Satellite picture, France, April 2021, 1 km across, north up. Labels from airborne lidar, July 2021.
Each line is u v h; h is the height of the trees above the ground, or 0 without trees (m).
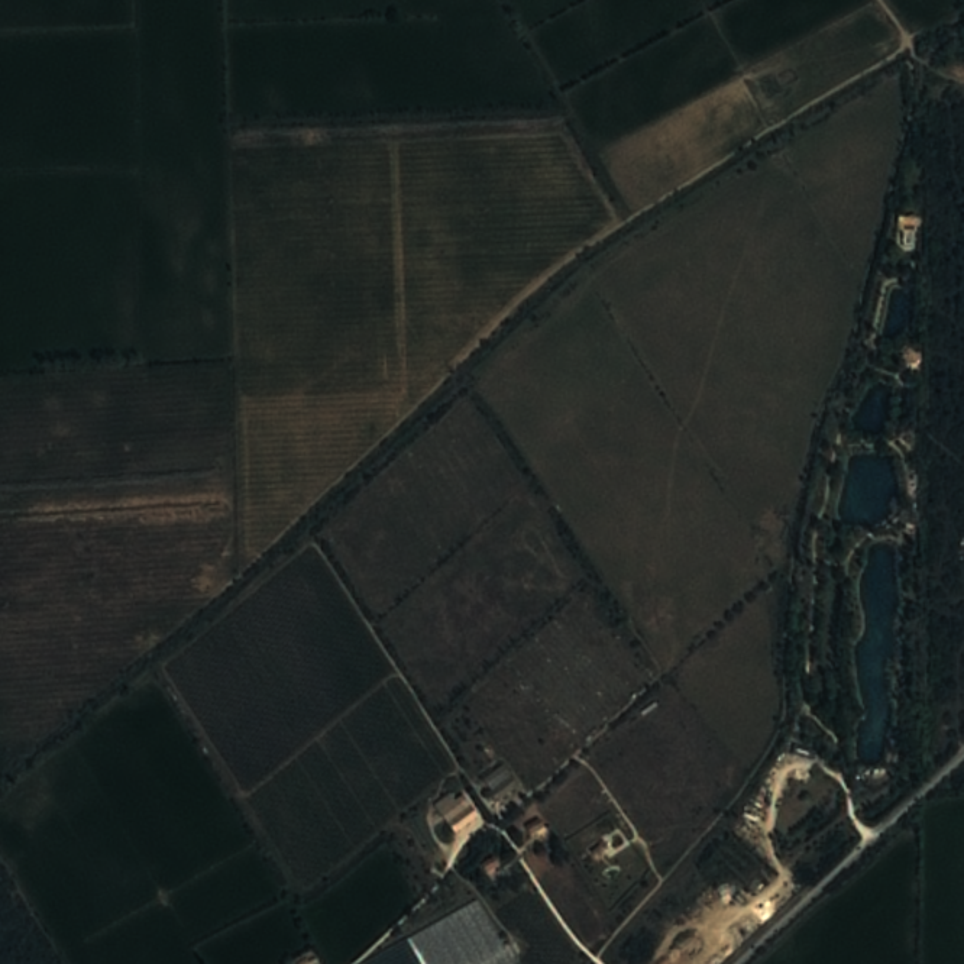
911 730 11
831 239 0
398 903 0
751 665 0
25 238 0
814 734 11
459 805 0
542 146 0
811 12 0
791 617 11
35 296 0
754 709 0
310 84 0
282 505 0
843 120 0
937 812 0
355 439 0
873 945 0
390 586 0
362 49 0
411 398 0
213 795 0
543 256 0
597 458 0
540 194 0
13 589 0
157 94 0
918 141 12
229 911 0
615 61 8
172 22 0
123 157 0
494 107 9
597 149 0
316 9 0
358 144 0
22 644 0
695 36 0
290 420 0
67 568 0
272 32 0
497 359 0
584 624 0
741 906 0
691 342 0
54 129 0
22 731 0
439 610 0
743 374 0
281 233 0
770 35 0
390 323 0
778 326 0
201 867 0
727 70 0
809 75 0
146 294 0
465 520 0
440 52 0
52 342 0
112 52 0
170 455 0
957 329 6
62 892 0
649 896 0
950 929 0
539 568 0
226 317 0
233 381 0
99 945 0
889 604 0
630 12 0
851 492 0
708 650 0
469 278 0
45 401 0
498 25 0
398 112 9
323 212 0
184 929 0
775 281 0
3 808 0
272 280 0
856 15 0
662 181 0
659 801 0
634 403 0
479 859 10
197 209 0
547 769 0
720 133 0
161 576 0
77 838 0
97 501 0
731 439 0
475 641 0
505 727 0
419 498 0
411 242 0
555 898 0
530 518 0
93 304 0
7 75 0
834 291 0
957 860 0
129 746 0
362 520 0
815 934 0
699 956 0
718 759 0
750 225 0
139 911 0
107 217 0
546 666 0
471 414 0
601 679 0
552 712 0
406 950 0
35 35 0
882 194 0
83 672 0
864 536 10
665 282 0
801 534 15
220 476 0
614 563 0
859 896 0
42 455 0
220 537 0
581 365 0
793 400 0
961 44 11
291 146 0
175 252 0
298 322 0
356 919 0
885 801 8
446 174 0
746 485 0
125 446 0
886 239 7
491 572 0
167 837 0
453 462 0
